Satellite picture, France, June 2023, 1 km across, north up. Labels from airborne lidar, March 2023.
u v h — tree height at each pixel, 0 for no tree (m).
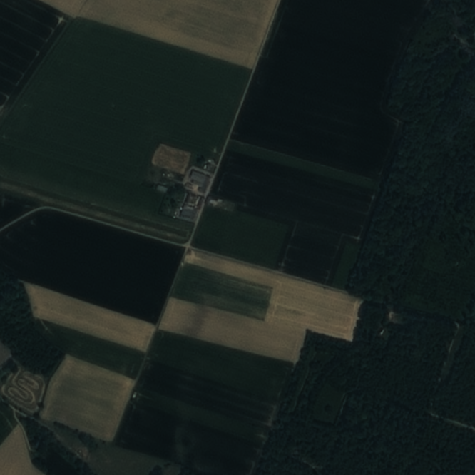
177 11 0
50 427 0
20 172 0
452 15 16
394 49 0
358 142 0
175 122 0
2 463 0
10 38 0
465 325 13
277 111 0
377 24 0
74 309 0
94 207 0
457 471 26
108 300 0
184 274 0
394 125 0
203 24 0
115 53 0
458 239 23
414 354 23
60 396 0
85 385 0
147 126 0
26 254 0
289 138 0
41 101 0
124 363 0
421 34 0
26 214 0
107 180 0
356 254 0
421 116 22
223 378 0
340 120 0
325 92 0
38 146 0
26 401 0
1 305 19
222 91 0
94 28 0
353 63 0
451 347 0
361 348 21
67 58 0
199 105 0
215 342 0
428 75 22
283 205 0
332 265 0
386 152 0
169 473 0
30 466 0
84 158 0
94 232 0
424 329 23
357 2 0
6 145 0
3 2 0
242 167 0
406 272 20
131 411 0
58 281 0
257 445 0
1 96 0
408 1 0
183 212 0
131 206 0
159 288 0
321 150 0
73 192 0
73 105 0
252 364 0
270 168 0
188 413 0
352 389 8
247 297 0
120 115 0
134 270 0
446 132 29
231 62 0
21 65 0
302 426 22
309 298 0
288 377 0
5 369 11
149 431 0
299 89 0
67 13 0
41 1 0
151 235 0
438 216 28
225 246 0
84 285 0
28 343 10
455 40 14
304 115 0
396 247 29
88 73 0
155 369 0
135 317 0
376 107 0
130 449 0
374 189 0
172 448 0
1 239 0
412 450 17
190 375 0
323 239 0
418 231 23
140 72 0
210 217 0
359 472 24
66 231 0
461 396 14
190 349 0
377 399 21
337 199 0
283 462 23
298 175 0
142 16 0
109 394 0
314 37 0
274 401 0
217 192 0
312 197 0
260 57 0
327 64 0
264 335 0
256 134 0
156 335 0
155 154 0
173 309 0
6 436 0
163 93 0
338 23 0
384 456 16
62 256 0
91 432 0
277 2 0
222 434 0
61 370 0
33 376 0
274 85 0
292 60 0
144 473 0
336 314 0
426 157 25
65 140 0
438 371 14
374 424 25
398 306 18
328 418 0
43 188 0
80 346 0
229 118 0
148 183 0
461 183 25
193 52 0
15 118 0
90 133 0
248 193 0
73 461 11
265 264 0
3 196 0
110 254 0
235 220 0
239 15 0
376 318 26
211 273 0
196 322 0
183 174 0
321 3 0
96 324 0
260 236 0
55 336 0
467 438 14
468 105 29
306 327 0
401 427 29
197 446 0
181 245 0
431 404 21
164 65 0
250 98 0
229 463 0
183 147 0
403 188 23
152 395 0
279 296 0
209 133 0
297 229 0
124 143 0
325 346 13
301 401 13
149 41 0
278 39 0
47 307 0
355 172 0
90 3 0
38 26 0
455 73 0
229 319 0
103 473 0
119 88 0
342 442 20
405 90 24
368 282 27
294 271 0
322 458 18
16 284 24
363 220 0
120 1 0
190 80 0
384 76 0
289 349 0
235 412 0
